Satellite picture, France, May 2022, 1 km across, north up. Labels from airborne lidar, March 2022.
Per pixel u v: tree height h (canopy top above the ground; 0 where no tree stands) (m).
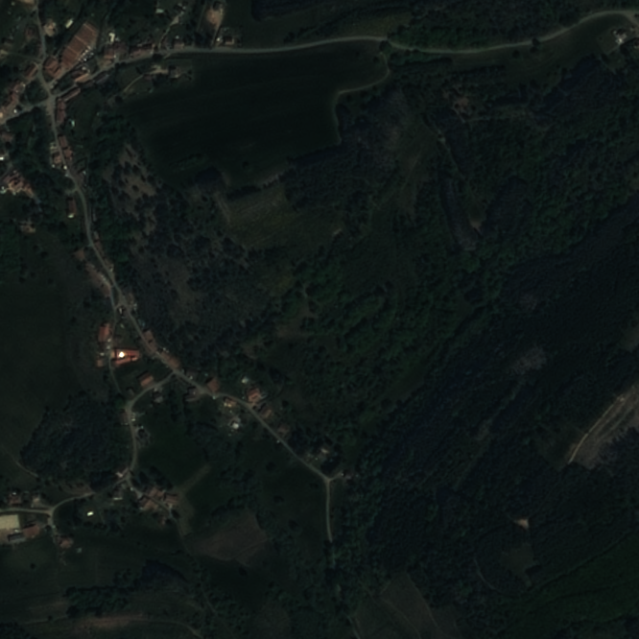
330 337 0
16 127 7
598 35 0
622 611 10
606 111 21
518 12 18
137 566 0
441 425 28
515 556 0
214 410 0
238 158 0
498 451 19
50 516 0
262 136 0
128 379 0
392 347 20
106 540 0
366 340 15
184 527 0
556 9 20
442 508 22
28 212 13
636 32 0
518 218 26
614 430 0
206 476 0
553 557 10
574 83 32
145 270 0
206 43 11
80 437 13
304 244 0
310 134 0
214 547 0
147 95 0
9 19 0
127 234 17
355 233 17
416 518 20
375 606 0
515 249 12
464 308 0
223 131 0
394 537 15
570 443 0
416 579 15
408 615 0
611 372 16
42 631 0
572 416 22
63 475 13
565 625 16
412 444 27
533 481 25
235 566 0
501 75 14
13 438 0
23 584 0
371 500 18
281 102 0
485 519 12
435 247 9
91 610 16
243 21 0
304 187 23
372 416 9
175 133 0
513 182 22
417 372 0
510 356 16
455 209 30
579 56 0
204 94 0
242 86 0
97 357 0
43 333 0
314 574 18
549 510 12
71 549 0
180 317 0
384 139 33
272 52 0
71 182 12
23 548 0
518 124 5
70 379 0
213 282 9
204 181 26
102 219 18
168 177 0
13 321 0
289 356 0
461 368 21
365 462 14
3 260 7
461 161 33
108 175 0
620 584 15
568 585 13
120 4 23
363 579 18
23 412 0
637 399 0
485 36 9
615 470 20
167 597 0
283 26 0
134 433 0
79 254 0
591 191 12
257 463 0
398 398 0
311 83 0
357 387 22
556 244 19
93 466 16
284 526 0
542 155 10
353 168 16
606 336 11
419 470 25
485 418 20
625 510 11
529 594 8
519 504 23
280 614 0
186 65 0
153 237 13
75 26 7
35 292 0
